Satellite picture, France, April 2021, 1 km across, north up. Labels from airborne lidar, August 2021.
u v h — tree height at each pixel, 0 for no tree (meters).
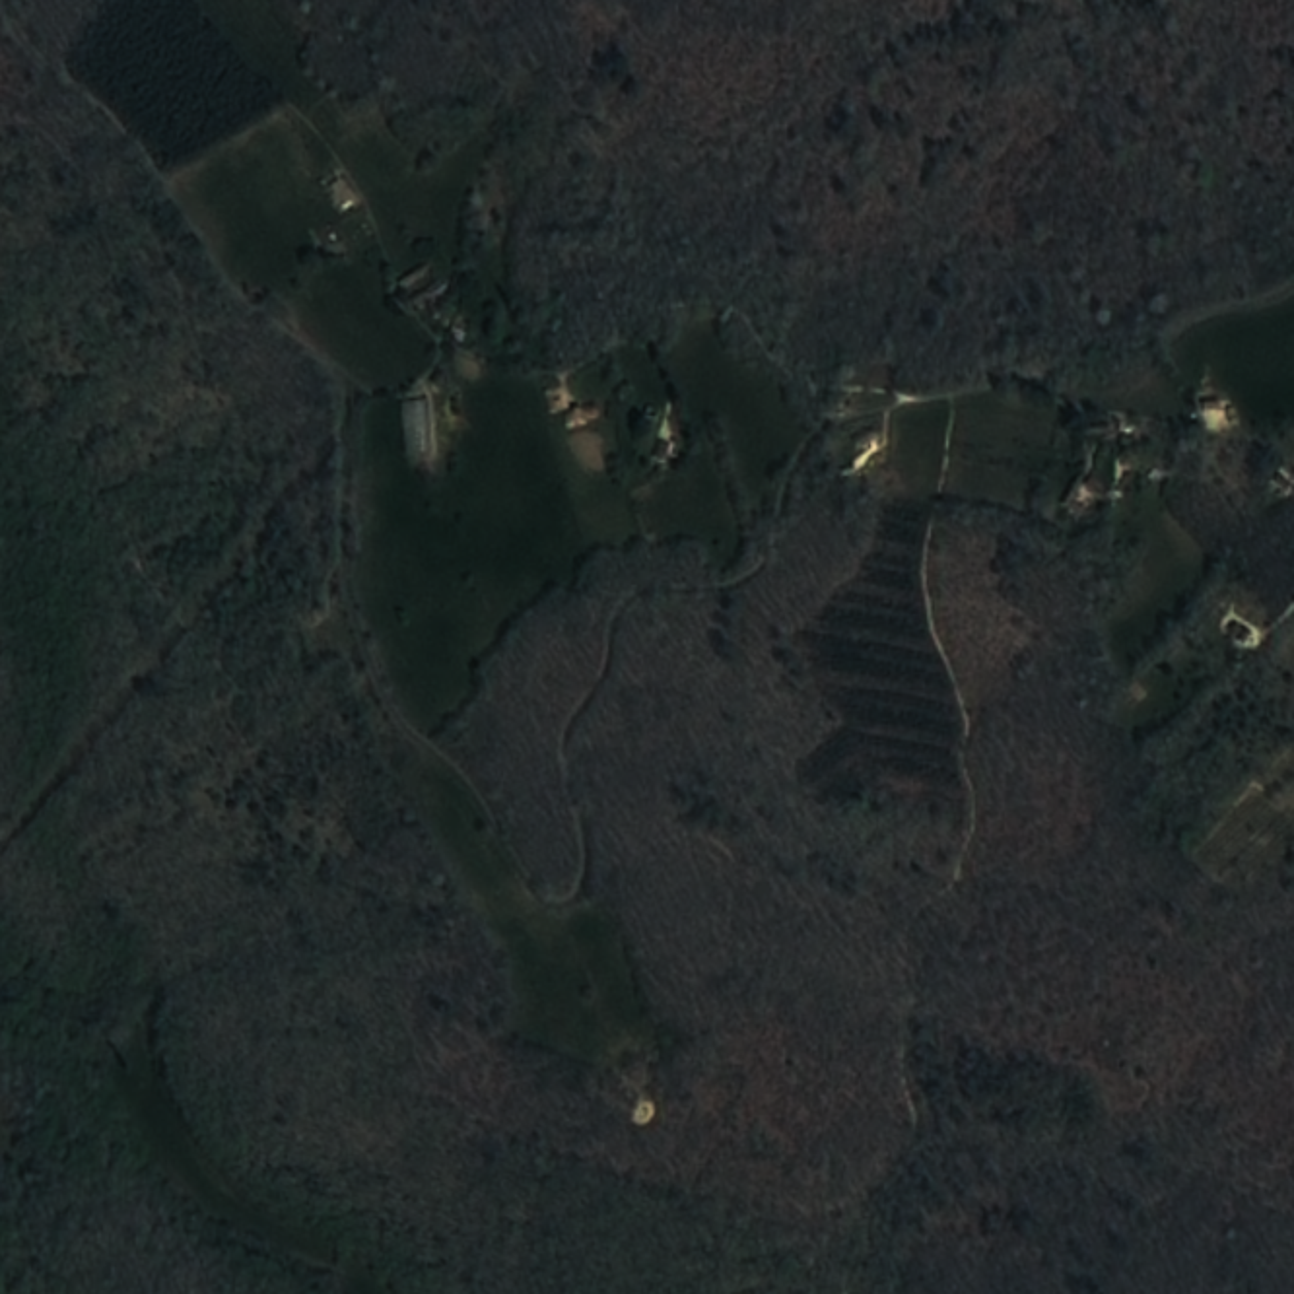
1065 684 19
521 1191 18
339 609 7
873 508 17
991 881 11
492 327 16
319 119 0
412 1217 15
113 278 15
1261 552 11
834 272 11
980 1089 27
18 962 19
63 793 16
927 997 15
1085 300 19
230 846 7
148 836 13
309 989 17
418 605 0
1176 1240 14
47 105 15
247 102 14
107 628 14
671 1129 8
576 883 13
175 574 12
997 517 15
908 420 0
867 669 9
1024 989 9
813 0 14
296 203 0
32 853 13
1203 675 11
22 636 18
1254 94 7
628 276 17
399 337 0
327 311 0
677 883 19
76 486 15
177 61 17
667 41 13
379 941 14
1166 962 7
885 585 8
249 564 15
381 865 14
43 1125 23
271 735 13
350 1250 20
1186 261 13
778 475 17
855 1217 19
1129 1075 12
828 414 15
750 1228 21
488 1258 20
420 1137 16
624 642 17
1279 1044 10
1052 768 10
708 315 21
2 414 8
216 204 0
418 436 0
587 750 15
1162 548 0
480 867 0
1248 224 11
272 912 18
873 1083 11
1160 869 14
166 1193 13
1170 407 0
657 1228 18
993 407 0
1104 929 6
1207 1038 7
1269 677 14
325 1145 10
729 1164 5
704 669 19
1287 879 14
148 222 20
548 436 0
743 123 11
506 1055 12
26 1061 17
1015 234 7
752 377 0
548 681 9
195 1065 13
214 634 7
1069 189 7
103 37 17
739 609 23
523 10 18
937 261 8
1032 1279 12
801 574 16
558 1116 14
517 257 16
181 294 13
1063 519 10
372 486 0
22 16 17
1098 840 10
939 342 14
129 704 15
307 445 13
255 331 16
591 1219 18
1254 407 0
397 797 8
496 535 0
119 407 8
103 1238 23
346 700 9
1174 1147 12
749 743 23
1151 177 11
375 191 0
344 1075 17
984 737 11
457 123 18
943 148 11
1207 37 11
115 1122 23
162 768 9
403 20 12
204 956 21
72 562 19
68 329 16
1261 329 0
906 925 14
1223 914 18
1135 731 0
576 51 16
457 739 14
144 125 19
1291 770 0
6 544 18
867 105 7
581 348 14
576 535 0
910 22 12
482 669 14
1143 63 12
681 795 18
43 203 17
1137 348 20
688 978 15
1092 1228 16
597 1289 19
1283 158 5
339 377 0
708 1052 19
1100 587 18
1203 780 20
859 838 18
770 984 17
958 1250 13
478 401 0
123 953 16
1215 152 11
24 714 17
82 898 13
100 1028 14
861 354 15
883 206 7
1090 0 13
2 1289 17
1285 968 9
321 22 12
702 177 16
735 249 13
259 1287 20
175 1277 19
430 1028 12
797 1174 10
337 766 13
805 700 13
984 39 9
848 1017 15
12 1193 22
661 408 0
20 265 14
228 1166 14
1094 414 15
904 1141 17
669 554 17
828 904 12
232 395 13
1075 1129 13
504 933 0
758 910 11
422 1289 17
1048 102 9
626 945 14
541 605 13
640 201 11
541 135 15
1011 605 19
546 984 0
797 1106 8
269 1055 17
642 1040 0
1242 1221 8
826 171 8
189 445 11
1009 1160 15
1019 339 10
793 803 18
